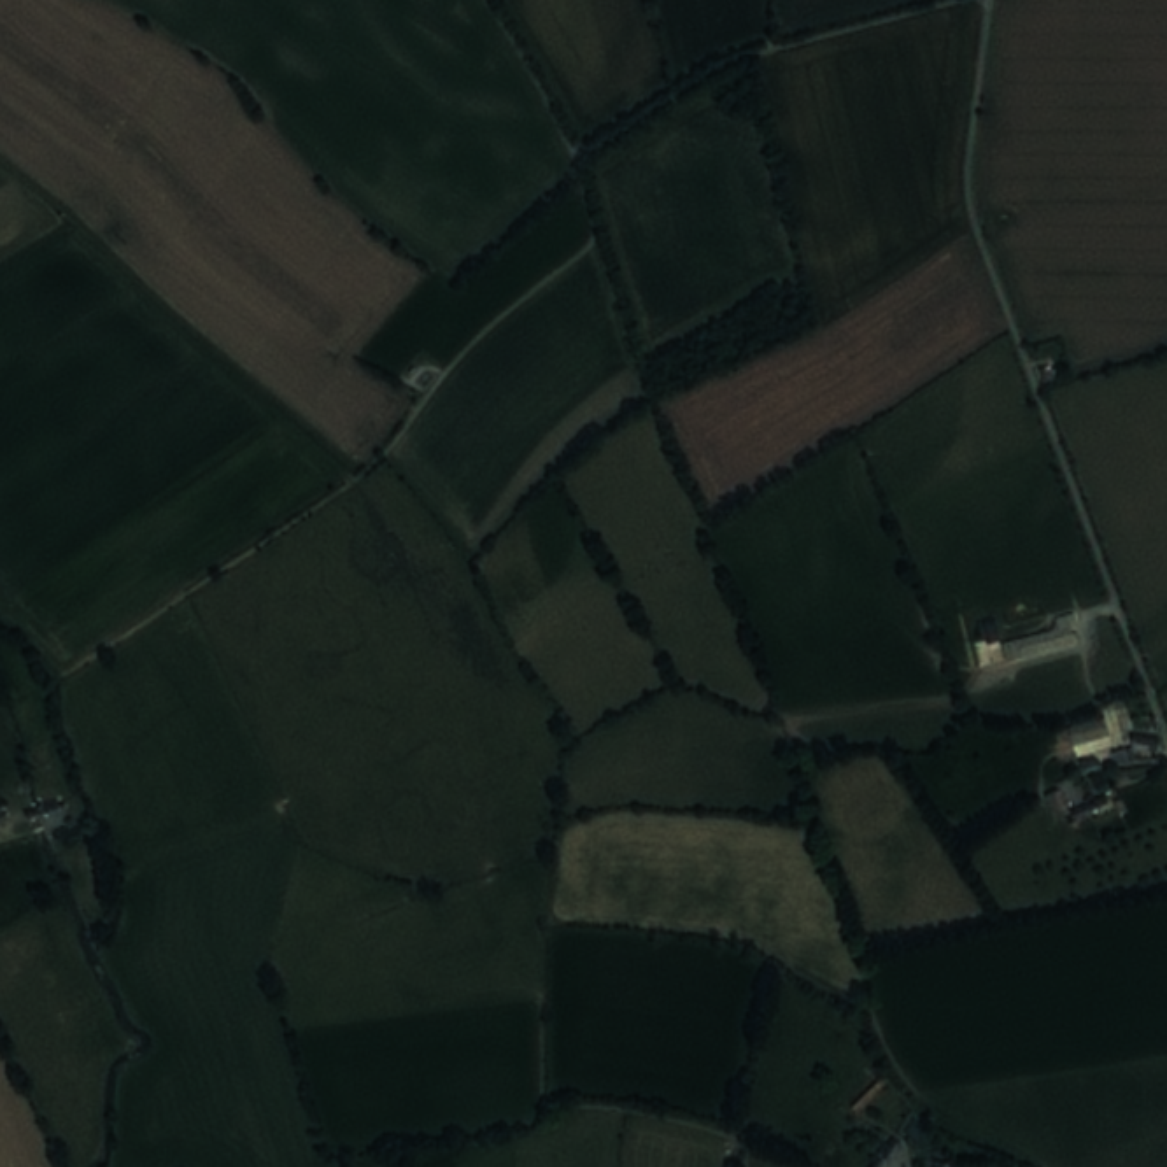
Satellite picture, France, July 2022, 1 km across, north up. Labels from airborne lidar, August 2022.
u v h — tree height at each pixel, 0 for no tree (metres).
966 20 0
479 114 0
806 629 0
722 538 0
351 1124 0
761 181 0
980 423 0
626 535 0
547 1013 6
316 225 0
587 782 0
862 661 0
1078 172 0
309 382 0
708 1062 0
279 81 0
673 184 0
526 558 0
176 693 0
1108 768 13
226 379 0
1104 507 0
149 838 0
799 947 0
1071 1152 0
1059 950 0
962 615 0
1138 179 0
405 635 0
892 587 0
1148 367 9
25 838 0
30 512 0
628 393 0
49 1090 0
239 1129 0
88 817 12
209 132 0
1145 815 0
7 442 0
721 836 0
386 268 0
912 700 0
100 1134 0
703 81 16
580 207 0
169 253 0
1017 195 0
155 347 0
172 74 0
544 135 0
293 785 0
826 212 0
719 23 0
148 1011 0
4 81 0
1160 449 0
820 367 0
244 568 0
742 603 16
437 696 0
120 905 12
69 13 0
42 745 0
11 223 0
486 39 0
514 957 0
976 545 0
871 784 0
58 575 0
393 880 6
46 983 0
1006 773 0
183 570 0
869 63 0
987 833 26
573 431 0
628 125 12
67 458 0
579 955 0
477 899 0
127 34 0
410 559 0
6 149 0
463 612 0
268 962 0
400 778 0
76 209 0
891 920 0
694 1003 0
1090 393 0
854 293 0
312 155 0
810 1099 0
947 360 0
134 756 0
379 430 0
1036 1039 0
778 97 0
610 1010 0
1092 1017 0
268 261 0
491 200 0
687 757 0
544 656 0
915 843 0
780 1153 25
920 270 0
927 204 0
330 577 0
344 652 0
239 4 0
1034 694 0
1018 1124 0
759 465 0
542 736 0
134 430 0
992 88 0
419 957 0
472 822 0
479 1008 0
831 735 0
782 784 0
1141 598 0
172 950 0
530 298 0
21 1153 0
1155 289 0
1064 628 0
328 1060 0
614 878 0
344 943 0
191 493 0
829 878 24
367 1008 0
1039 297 0
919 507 0
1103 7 0
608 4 0
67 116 0
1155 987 0
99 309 0
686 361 13
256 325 0
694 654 0
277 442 0
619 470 0
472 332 0
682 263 0
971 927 18
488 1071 0
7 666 0
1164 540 0
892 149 0
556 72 0
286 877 0
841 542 0
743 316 10
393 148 0
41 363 0
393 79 0
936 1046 0
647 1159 0
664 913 0
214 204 0
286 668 0
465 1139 17
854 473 0
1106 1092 0
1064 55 0
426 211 0
